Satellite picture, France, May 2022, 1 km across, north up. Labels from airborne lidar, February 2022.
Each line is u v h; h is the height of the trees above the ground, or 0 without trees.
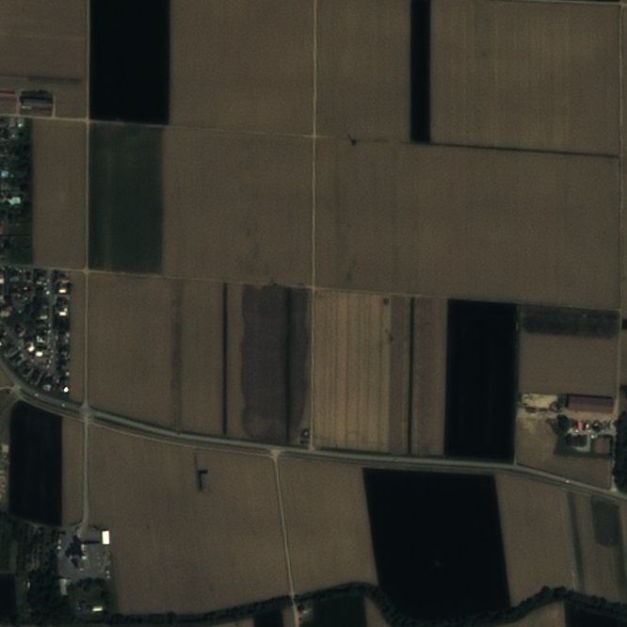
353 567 0
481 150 0
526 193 0
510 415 0
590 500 0
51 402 0
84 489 0
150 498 0
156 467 0
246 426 0
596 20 0
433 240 0
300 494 0
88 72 0
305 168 0
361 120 0
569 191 0
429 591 0
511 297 0
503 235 0
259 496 0
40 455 0
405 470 0
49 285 0
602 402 0
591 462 0
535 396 0
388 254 0
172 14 0
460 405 0
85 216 0
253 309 0
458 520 0
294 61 0
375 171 0
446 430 0
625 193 0
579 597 10
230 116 0
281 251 0
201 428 0
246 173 0
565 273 0
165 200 0
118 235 0
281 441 0
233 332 0
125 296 0
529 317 0
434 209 0
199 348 0
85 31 0
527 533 0
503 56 0
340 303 0
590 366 0
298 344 0
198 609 0
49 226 0
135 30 0
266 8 0
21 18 0
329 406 0
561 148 0
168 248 0
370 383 0
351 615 0
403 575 0
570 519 0
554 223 0
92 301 0
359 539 0
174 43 0
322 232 0
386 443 0
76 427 0
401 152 0
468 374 0
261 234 0
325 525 0
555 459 0
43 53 0
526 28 0
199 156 0
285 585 0
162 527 0
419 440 0
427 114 0
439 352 0
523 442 0
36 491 0
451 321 0
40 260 0
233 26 0
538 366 0
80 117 0
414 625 10
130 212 0
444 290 0
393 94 0
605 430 0
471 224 0
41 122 0
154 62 0
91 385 0
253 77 0
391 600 0
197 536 0
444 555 0
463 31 0
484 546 0
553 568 0
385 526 0
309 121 0
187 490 0
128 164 0
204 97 0
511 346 0
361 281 0
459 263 0
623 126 0
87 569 0
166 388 0
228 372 0
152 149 0
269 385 0
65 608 15
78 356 0
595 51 0
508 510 0
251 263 0
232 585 0
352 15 0
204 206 0
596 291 0
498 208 0
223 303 0
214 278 0
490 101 0
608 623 0
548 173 0
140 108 0
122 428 0
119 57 0
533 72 0
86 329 0
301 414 0
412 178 0
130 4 0
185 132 0
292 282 0
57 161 0
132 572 0
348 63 0
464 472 0
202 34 0
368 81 0
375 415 0
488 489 0
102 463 0
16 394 0
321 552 0
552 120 0
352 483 0
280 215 0
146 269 0
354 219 0
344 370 0
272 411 0
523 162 0
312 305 0
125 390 0
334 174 0
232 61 0
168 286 0
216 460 0
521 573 0
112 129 0
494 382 0
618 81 0
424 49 0
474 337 0
